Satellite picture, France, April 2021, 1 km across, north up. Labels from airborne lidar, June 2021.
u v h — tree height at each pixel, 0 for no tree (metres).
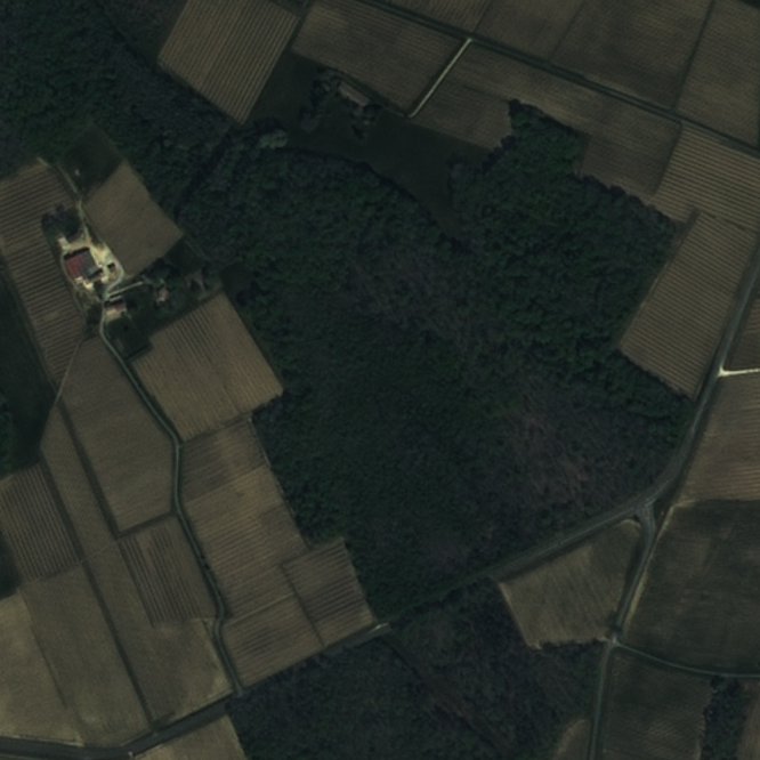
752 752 0
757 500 0
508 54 0
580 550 0
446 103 0
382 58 0
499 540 10
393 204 26
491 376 20
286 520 0
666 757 0
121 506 0
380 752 19
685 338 0
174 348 0
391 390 14
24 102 20
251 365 0
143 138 22
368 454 15
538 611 0
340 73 9
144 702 0
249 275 0
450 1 0
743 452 0
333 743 17
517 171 21
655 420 10
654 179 0
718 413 0
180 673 0
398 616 9
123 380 0
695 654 0
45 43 26
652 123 0
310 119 20
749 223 0
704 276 0
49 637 0
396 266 18
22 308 0
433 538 13
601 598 0
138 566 0
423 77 0
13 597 0
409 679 18
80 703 0
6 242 0
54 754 0
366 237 17
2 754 0
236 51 0
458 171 21
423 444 13
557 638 0
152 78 25
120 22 10
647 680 0
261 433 14
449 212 0
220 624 0
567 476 15
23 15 23
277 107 0
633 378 22
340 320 14
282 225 24
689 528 0
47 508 0
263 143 19
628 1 0
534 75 0
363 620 0
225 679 0
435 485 13
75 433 0
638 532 0
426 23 0
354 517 14
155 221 0
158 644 0
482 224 18
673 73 0
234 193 27
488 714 15
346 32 0
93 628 0
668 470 13
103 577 0
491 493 10
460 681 12
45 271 0
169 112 24
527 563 0
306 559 0
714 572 0
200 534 0
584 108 0
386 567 13
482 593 15
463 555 14
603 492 14
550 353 14
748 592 0
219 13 0
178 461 0
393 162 0
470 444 13
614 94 0
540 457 12
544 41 0
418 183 0
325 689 14
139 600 0
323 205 24
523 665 10
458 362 14
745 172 0
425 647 10
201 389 0
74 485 0
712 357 0
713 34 0
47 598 0
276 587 0
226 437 0
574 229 22
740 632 0
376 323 14
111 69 20
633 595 0
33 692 0
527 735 21
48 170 0
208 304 0
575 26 0
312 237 21
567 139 21
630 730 0
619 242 21
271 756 18
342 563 0
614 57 0
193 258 0
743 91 0
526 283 18
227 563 0
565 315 24
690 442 0
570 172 18
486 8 0
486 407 18
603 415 25
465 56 0
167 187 23
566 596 0
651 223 18
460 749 19
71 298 0
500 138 0
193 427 0
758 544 0
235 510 0
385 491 14
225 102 0
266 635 0
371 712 16
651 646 0
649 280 16
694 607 0
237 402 0
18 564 0
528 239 12
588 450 12
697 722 0
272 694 19
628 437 19
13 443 20
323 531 22
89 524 0
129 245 0
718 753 16
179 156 24
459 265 18
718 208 0
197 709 0
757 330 0
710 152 0
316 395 20
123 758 0
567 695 15
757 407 0
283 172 21
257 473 0
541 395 19
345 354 14
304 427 21
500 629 14
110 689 0
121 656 0
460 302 19
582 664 23
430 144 0
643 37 0
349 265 20
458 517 14
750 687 0
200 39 0
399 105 0
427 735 23
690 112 0
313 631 0
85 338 0
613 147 0
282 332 18
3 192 0
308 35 0
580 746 0
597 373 18
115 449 0
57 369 0
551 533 11
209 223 24
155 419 0
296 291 18
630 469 13
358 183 23
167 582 0
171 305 12
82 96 24
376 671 9
